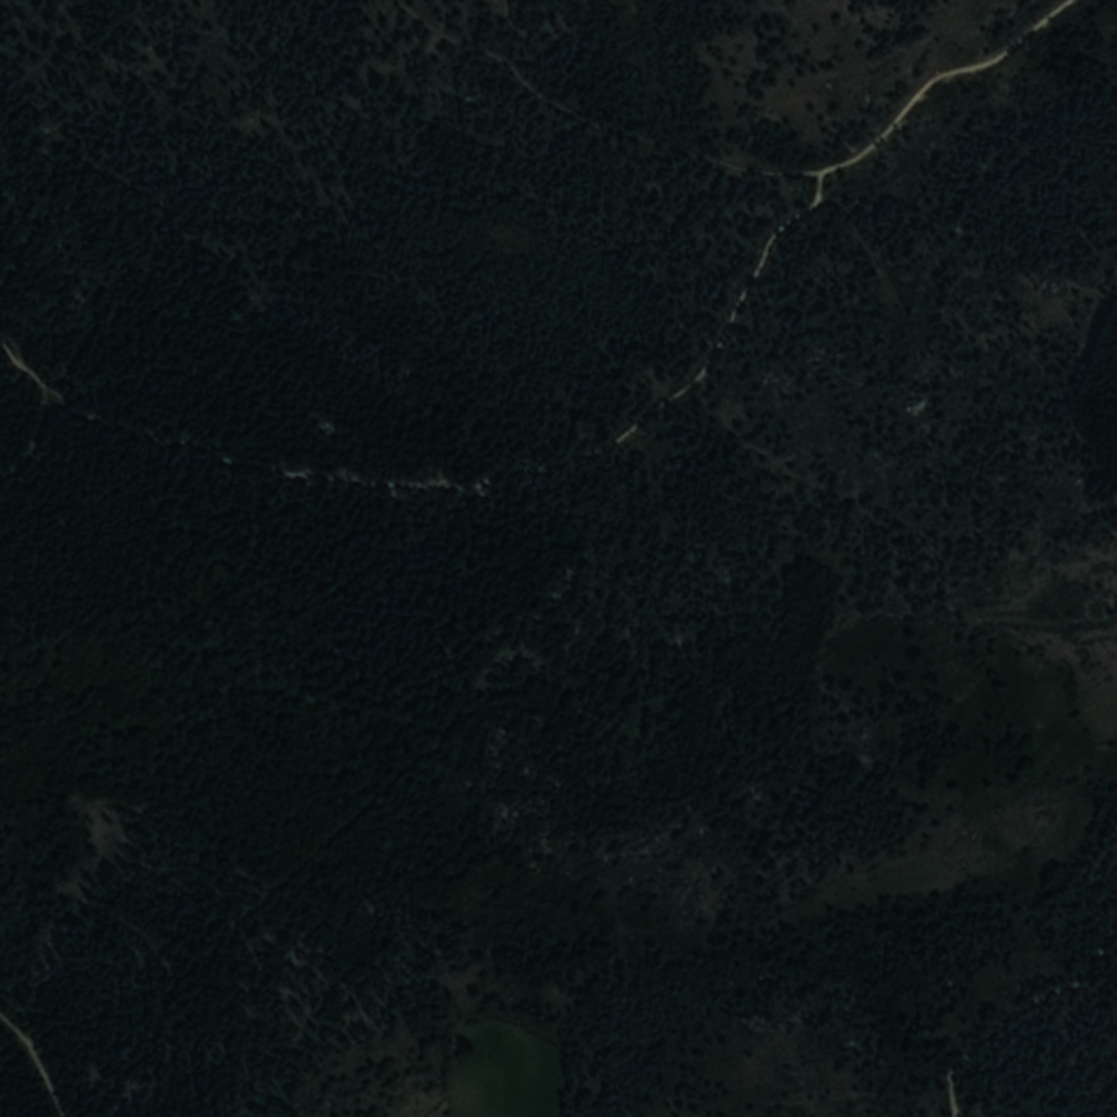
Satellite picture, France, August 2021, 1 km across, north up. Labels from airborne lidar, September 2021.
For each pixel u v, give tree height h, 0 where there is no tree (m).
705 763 17
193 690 15
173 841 11
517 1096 0
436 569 21
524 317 11
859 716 14
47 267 12
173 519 13
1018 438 14
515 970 14
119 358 21
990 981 0
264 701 14
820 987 15
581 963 8
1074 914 14
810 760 12
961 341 8
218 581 11
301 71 10
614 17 6
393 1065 8
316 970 11
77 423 25
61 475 22
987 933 12
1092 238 12
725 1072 0
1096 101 13
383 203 13
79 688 14
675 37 12
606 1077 9
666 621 11
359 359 14
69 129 16
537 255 10
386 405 17
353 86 16
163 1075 21
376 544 20
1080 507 0
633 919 0
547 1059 0
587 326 11
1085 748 0
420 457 11
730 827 13
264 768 18
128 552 20
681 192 12
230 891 18
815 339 12
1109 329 20
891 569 11
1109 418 19
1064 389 8
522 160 13
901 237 6
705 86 8
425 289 19
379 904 18
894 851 15
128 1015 11
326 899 16
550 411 11
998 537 10
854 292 12
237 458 15
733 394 0
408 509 8
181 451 20
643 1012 14
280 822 13
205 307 12
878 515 9
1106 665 0
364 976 13
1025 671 0
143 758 15
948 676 0
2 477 10
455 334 12
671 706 14
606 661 9
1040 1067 17
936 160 11
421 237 9
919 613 12
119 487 17
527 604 11
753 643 15
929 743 16
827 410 0
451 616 9
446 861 16
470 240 6
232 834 12
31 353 18
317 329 18
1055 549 7
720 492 9
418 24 10
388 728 12
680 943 0
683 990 9
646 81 13
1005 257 9
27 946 13
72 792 15
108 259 12
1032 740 10
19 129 12
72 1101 15
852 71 0
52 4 19
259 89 13
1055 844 0
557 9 15
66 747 14
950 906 9
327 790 12
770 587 15
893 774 12
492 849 7
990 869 0
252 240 14
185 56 15
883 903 13
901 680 15
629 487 13
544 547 17
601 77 13
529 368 15
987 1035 10
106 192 16
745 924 9
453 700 26
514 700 14
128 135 13
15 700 13
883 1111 0
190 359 11
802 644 18
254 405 20
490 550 16
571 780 11
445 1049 8
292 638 9
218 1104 25
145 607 22
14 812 14
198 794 20
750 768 13
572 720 15
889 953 12
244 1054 17
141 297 18
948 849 0
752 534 12
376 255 14
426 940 28
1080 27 7
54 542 20
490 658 11
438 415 18
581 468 6
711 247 12
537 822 9
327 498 14
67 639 15
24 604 13
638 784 8
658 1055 12
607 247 13
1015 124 12
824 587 14
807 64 10
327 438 16
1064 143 13
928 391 12
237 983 19
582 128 9
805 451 0
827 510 16
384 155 10
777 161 10
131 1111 21
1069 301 0
